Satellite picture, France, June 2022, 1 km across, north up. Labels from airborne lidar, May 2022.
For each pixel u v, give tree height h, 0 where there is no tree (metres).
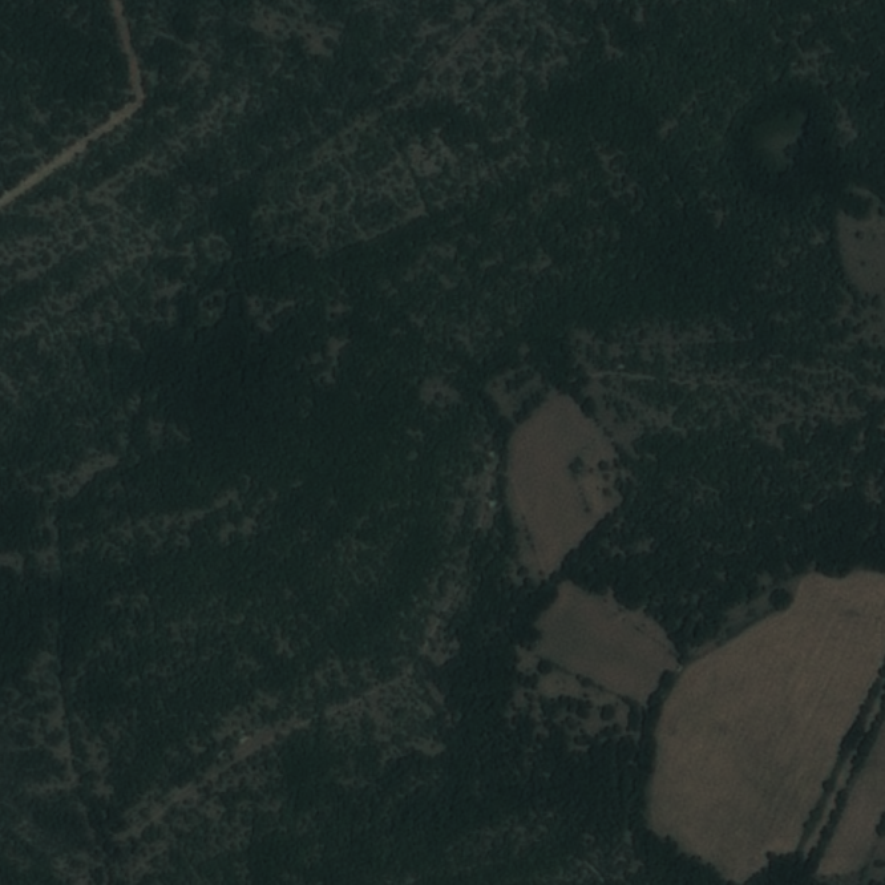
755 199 10
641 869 7
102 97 6
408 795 8
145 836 8
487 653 12
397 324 8
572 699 10
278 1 6
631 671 0
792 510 12
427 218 7
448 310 6
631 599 12
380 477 8
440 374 6
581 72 8
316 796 8
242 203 10
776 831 0
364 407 9
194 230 6
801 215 9
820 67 6
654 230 11
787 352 9
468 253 9
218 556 9
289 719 7
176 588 7
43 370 7
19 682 11
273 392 13
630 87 9
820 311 8
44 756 8
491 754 10
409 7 6
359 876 6
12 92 7
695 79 10
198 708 7
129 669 9
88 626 8
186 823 8
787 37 9
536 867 6
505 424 9
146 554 7
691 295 7
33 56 7
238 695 9
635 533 11
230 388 17
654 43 10
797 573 12
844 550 18
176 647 7
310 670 7
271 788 7
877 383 10
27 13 7
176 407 10
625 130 9
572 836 9
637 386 7
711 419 8
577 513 0
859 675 0
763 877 12
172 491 9
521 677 10
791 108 13
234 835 7
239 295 11
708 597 10
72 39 7
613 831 10
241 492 7
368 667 6
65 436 6
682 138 12
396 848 9
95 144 6
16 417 6
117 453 7
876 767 0
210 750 7
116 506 8
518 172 6
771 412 7
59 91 7
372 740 6
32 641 9
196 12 7
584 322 8
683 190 13
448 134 7
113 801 6
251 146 9
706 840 0
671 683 10
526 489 0
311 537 8
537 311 8
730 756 0
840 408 7
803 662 0
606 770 15
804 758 0
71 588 9
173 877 6
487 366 11
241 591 8
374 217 6
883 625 0
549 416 0
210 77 5
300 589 6
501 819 9
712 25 9
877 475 9
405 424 7
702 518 10
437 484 6
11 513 11
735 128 12
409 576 8
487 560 9
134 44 6
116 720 6
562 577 10
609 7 7
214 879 7
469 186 9
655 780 0
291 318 11
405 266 6
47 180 7
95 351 9
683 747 0
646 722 11
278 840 9
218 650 6
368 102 8
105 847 9
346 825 9
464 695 9
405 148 7
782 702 0
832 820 9
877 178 12
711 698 0
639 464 9
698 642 12
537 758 9
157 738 8
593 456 0
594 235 6
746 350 8
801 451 10
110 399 6
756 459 10
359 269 8
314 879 7
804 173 15
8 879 8
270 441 11
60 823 6
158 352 13
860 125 9
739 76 9
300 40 5
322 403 10
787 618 0
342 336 7
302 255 10
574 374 11
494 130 6
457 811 12
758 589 12
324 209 8
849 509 12
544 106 10
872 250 0
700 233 10
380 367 6
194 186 6
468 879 6
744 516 9
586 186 9
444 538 5
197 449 8
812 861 12
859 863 0
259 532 8
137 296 6
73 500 9
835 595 0
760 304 9
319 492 8
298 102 8
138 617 8
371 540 5
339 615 7
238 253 10
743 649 0
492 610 9
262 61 9
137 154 6
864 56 10
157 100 8
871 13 10
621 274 8
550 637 0
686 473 9
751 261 11
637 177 9
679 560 14
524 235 8
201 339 11
